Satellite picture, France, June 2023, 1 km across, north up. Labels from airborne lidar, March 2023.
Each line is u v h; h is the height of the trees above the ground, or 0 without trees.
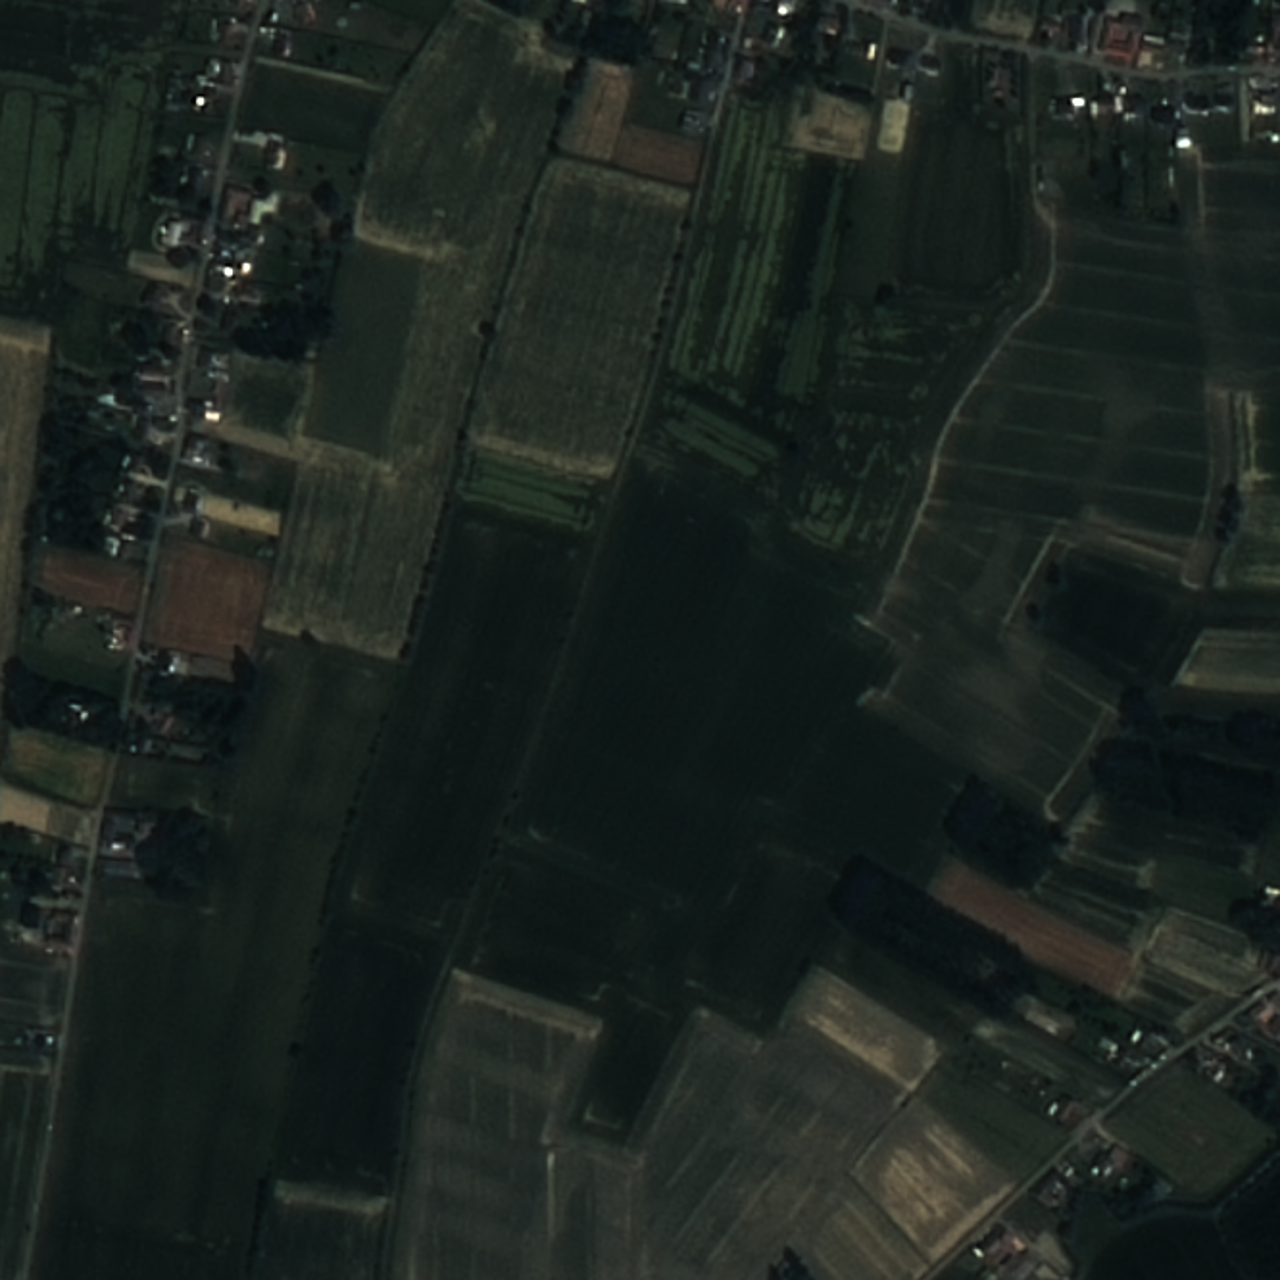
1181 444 0
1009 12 0
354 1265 0
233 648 0
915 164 0
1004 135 0
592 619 0
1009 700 0
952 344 0
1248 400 0
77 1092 0
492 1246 0
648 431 0
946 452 0
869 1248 0
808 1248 0
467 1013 0
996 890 0
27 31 0
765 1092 0
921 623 0
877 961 0
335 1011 0
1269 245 0
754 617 0
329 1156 0
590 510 0
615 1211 0
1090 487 0
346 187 0
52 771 0
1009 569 0
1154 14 7
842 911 28
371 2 0
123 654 0
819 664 0
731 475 0
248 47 0
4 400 0
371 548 0
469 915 0
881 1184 0
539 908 0
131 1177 0
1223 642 0
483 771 0
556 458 0
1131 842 0
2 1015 0
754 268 0
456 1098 0
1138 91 0
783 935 0
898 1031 0
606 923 0
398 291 0
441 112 0
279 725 0
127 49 0
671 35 0
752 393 0
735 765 0
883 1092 0
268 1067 0
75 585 0
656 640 0
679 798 0
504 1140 0
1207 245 0
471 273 0
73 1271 0
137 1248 0
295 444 0
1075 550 0
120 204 0
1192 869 0
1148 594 0
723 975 0
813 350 0
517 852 0
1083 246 0
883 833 0
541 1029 0
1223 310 0
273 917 0
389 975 0
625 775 0
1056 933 0
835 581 0
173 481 0
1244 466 0
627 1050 0
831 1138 0
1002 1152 0
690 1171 0
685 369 0
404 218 0
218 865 0
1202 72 0
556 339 0
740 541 0
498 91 0
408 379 0
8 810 0
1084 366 0
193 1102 0
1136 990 0
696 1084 0
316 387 0
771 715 0
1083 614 0
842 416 0
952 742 0
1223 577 0
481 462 0
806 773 0
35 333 0
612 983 0
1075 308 0
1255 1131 0
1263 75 0
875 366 0
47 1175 0
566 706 0
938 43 0
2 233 0
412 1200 0
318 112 0
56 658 0
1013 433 0
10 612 0
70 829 0
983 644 0
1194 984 0
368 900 0
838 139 0
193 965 0
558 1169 0
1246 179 0
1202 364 0
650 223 0
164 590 0
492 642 0
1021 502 0
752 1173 0
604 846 0
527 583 0
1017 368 0
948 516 0
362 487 0
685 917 0
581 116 0
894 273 0
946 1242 0
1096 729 0
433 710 0
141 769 0
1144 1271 0
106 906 0
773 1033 0
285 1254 0
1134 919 0
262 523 0
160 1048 0
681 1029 0
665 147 0
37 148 0
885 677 0
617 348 0
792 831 0
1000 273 0
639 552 0
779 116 0
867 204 0
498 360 0
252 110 0
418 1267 0
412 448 0
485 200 0
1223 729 6
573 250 0
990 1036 0
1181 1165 0
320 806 0
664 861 0
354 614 0
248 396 0
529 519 0
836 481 0
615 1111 0
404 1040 0
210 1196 0
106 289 0
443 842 0
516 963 0
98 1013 0
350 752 0
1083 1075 0
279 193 0
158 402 0
